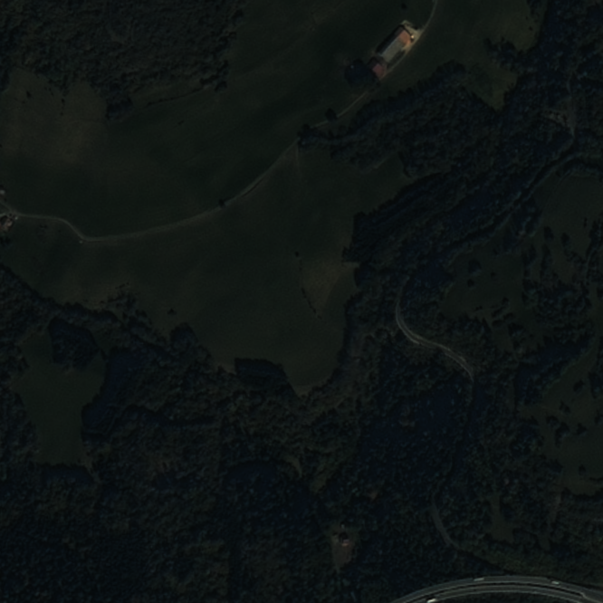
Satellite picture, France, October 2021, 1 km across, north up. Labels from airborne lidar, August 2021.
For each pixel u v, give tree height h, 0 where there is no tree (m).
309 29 0
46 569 13
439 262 20
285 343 0
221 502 15
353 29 0
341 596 14
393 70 0
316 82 0
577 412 0
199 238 0
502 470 11
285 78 0
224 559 20
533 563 10
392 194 0
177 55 8
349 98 0
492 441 11
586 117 8
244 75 0
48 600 12
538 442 9
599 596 0
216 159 0
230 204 0
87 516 24
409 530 14
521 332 7
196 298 0
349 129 0
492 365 14
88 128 0
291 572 26
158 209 0
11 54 16
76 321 25
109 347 0
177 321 0
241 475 8
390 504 28
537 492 11
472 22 0
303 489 6
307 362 0
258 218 0
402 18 0
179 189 0
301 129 0
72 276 0
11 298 32
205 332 0
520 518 11
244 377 19
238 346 0
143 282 0
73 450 0
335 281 0
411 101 16
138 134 0
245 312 0
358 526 27
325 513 10
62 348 24
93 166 0
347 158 20
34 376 0
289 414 9
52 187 0
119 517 18
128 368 20
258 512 32
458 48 0
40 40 12
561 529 15
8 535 24
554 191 0
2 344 24
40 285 0
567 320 9
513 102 24
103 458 13
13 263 0
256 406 19
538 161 29
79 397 0
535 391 24
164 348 17
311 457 9
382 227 21
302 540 8
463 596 16
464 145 22
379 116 22
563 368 22
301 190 0
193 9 10
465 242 17
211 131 0
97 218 0
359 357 37
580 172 16
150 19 6
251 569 16
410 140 18
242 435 7
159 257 0
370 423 24
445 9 0
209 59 17
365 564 14
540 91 16
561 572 13
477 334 18
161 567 11
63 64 19
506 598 6
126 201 0
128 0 10
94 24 7
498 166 21
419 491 20
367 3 0
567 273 0
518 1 0
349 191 0
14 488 27
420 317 16
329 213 0
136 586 22
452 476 10
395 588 31
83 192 0
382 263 28
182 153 0
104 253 0
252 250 0
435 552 17
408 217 24
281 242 0
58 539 17
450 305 0
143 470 25
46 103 0
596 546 14
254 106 0
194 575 16
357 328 24
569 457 0
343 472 16
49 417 0
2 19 19
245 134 0
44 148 0
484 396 10
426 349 7
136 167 0
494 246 0
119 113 20
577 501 9
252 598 19
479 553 17
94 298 0
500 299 0
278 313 0
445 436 19
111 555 21
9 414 20
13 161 0
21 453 24
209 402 23
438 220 28
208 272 0
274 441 16
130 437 22
